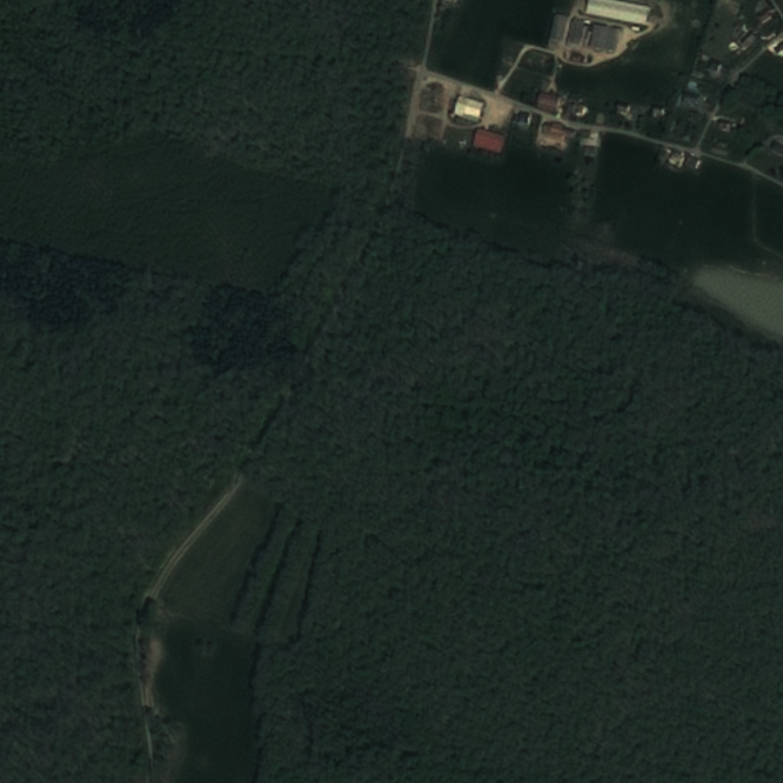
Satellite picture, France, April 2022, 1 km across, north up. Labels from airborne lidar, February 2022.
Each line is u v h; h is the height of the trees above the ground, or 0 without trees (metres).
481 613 29
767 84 12
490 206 0
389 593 26
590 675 28
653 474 31
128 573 25
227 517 0
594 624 25
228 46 23
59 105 28
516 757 26
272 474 27
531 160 0
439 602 25
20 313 23
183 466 22
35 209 6
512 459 31
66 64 28
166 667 0
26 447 26
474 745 23
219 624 0
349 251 25
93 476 30
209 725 0
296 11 20
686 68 0
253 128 24
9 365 26
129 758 27
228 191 12
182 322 28
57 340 25
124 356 28
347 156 23
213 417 25
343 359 26
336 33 25
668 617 28
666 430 30
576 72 0
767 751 26
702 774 31
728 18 0
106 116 25
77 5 21
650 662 28
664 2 0
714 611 23
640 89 0
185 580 0
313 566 0
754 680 29
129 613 27
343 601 29
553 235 0
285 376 24
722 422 26
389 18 24
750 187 0
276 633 26
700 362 26
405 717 24
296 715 27
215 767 0
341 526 29
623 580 28
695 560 27
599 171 20
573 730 28
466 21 0
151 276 28
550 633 28
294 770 26
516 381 25
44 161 19
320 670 26
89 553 28
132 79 23
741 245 0
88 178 7
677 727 27
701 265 0
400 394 28
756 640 25
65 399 24
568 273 22
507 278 27
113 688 30
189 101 19
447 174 0
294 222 10
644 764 29
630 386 24
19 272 24
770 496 23
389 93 24
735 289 0
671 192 0
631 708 29
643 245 0
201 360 25
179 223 9
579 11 0
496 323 27
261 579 17
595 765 23
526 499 27
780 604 24
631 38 0
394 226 21
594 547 28
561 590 27
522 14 0
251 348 30
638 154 0
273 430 18
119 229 13
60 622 26
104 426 26
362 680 26
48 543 31
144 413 25
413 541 28
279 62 20
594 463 24
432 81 0
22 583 25
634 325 22
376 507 29
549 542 29
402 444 28
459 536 30
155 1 25
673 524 29
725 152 0
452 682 25
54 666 33
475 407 26
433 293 20
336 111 24
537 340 25
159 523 28
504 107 0
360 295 27
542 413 26
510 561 30
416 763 24
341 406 27
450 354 25
